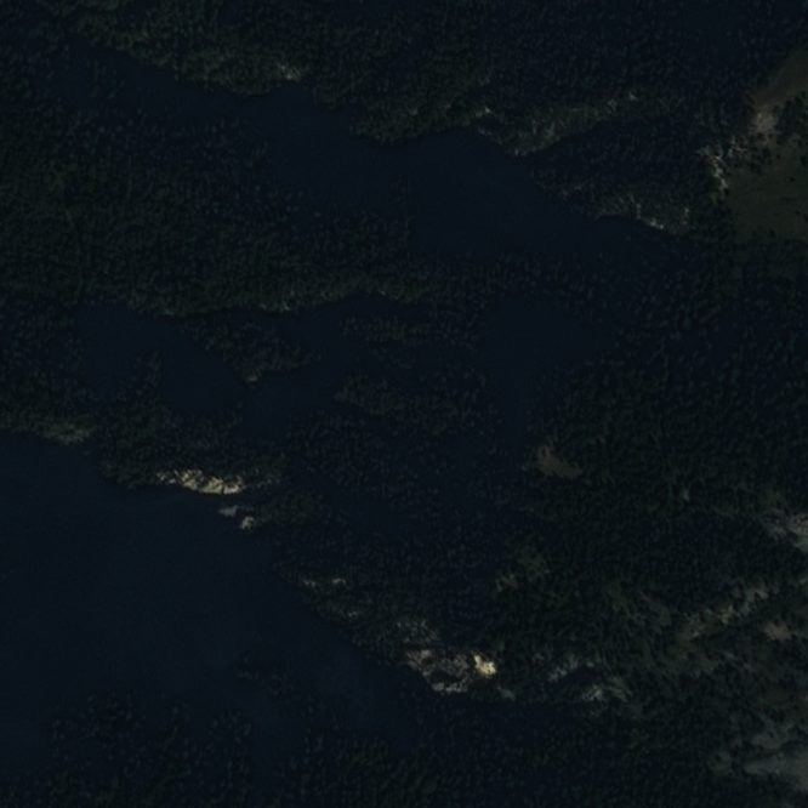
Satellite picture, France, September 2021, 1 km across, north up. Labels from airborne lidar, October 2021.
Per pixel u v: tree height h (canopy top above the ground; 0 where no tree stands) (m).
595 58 18
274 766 21
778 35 10
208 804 27
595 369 11
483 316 19
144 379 13
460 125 11
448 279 19
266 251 17
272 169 8
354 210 9
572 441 13
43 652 10
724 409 15
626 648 8
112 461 17
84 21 12
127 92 22
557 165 13
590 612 11
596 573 8
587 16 12
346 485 9
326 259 21
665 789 6
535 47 15
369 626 11
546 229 16
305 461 12
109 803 18
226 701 7
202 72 17
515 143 10
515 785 8
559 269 26
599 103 7
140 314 8
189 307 21
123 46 7
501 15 8
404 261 18
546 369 13
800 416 8
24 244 23
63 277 22
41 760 16
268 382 7
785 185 0
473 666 11
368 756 22
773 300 10
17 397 9
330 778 17
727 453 18
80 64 13
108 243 24
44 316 19
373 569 18
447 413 19
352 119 13
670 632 10
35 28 28
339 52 16
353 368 15
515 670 13
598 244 21
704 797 6
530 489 11
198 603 0
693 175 12
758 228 0
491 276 20
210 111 8
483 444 11
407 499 13
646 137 14
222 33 13
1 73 18
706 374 7
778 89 0
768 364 9
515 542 12
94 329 7
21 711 8
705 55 12
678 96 9
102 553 6
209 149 17
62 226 19
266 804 8
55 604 6
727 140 24
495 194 8
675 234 8
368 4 11
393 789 22
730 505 12
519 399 7
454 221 18
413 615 12
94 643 16
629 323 27
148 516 0
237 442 12
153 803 14
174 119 17
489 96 10
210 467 15
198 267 12
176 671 0
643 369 12
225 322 13
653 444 13
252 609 8
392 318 21
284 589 10
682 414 20
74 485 0
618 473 10
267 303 12
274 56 16
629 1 21
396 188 12
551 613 14
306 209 13
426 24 18
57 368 14
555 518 6
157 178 20
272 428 10
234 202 19
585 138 14
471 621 14
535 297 24
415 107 13
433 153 9
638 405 8
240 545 7
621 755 10
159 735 25
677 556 16
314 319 6
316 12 20
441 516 19
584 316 27
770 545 13
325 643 10
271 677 14
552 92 16
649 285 26
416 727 8
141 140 23
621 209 17
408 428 8
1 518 0
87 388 12
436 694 8
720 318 5
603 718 7
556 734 19
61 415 14
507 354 9
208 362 6
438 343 11
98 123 13
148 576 0
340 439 20
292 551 18
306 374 15
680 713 7
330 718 17
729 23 18
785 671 0
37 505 8
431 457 14
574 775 8
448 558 16
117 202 21
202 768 13
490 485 11
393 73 6
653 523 11
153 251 20
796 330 9
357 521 15
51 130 19
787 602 7
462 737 9
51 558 16
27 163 26
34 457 11
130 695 15
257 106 11
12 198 18
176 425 12
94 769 16
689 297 27
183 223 24
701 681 7
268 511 10
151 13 13
